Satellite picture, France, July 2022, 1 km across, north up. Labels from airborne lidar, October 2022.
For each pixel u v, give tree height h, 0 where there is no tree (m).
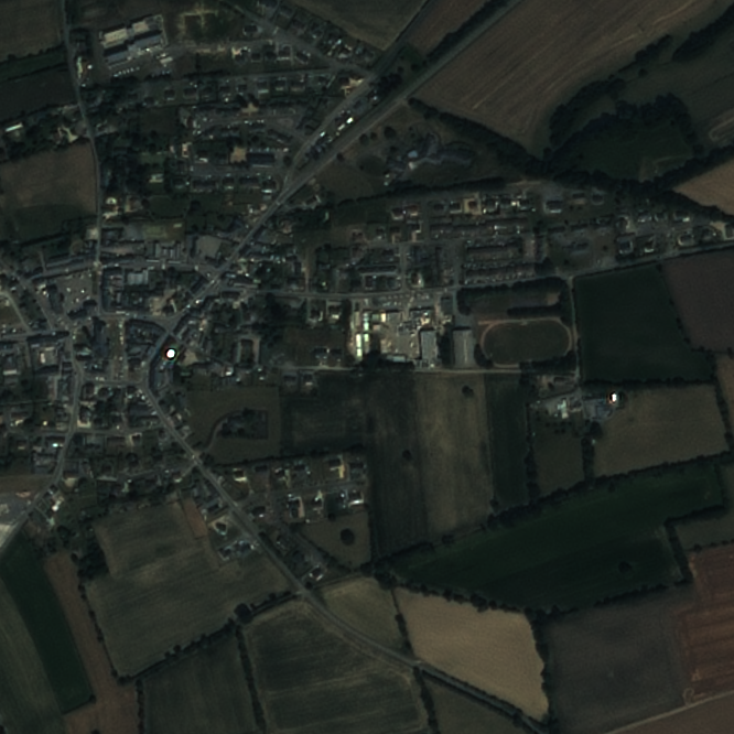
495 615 0
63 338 0
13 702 0
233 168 9
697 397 0
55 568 0
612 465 0
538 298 0
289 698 0
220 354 8
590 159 0
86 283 0
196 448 6
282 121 0
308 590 9
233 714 0
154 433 0
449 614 0
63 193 0
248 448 0
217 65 0
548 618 19
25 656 0
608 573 0
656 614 0
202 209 9
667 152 0
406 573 0
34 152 6
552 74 0
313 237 0
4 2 0
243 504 0
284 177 0
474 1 0
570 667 0
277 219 7
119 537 0
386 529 0
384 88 8
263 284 9
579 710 0
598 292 0
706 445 0
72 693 0
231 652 0
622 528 0
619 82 9
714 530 0
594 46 0
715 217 14
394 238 0
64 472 0
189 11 0
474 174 0
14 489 0
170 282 0
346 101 0
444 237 0
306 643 0
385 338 0
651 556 0
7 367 0
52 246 0
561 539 0
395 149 10
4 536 0
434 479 0
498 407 0
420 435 0
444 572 0
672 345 0
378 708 0
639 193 15
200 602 0
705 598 0
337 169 0
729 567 0
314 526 0
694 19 0
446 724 0
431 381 0
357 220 0
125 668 0
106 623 0
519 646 0
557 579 0
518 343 0
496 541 0
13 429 0
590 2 0
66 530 10
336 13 0
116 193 19
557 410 0
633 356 0
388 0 0
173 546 0
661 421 0
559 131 15
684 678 0
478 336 0
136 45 0
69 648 0
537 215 0
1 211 0
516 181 0
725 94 0
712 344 0
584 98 12
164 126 0
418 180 0
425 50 0
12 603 0
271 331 9
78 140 6
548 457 0
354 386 0
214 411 0
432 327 0
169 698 0
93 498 0
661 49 10
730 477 0
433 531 0
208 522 0
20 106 0
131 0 0
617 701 0
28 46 0
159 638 0
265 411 0
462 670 0
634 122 17
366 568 11
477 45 0
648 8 0
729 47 0
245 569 0
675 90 0
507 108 0
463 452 0
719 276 0
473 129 18
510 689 0
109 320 0
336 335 0
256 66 0
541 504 14
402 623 18
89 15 0
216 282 0
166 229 0
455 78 0
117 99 12
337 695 0
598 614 0
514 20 0
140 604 0
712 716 0
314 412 0
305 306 6
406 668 0
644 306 0
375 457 0
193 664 0
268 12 0
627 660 0
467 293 14
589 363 0
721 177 0
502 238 0
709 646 0
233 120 0
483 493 0
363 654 0
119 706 0
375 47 0
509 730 0
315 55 0
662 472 11
